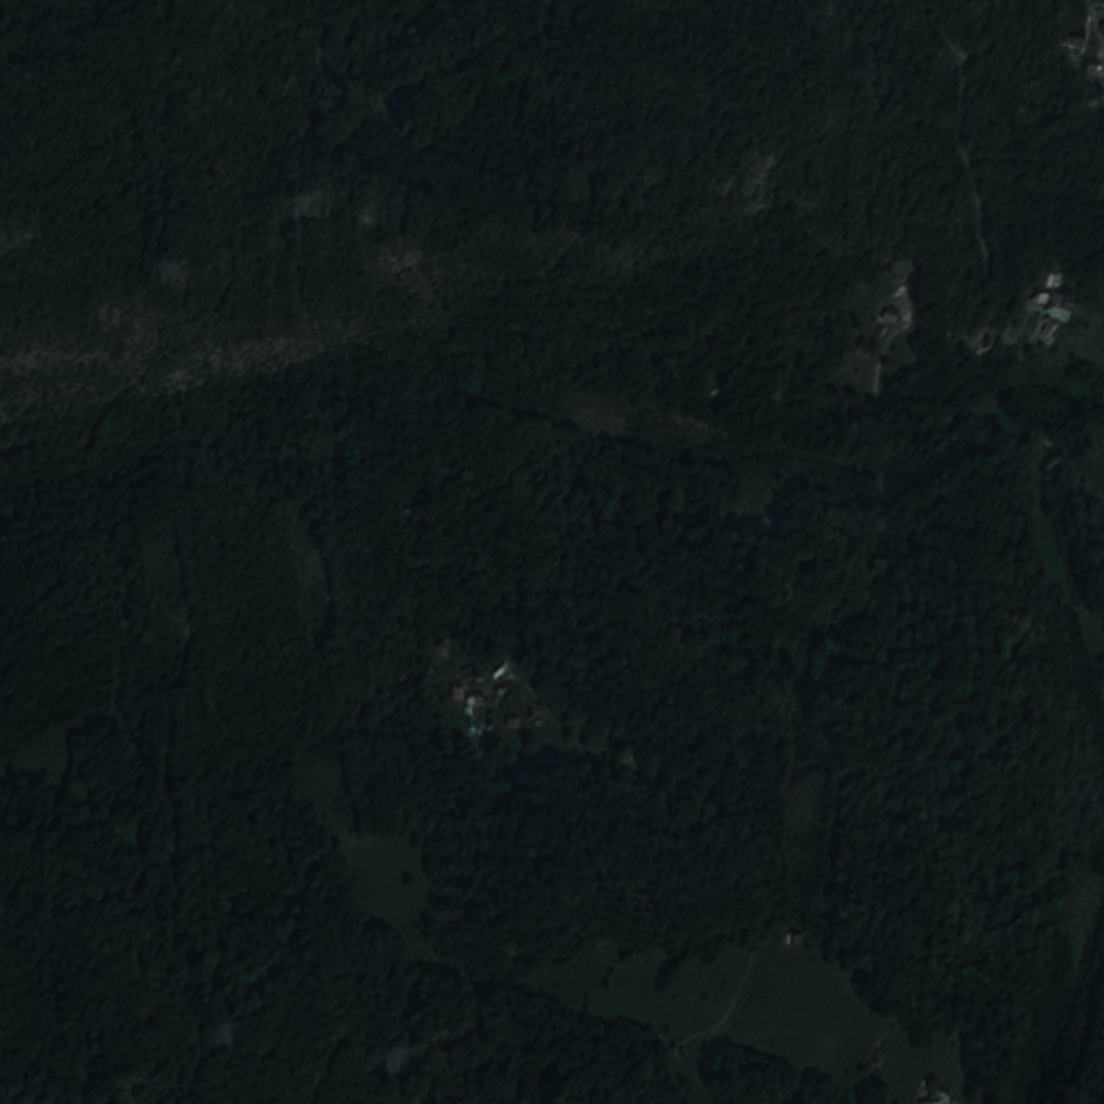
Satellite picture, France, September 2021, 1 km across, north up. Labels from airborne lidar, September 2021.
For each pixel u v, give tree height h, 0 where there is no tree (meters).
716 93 19
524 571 32
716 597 24
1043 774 23
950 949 25
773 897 18
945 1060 0
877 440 29
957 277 15
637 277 18
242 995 29
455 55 26
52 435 20
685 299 26
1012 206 17
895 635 24
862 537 23
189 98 28
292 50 31
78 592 30
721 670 28
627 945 23
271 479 26
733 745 30
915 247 15
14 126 17
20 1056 23
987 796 20
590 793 27
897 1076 0
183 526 18
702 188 10
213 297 16
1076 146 20
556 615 36
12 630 22
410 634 23
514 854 24
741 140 14
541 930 19
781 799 22
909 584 26
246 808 29
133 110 19
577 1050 29
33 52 19
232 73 26
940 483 27
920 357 18
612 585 33
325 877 21
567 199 8
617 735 23
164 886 22
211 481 32
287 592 18
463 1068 25
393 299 9
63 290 16
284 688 22
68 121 25
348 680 20
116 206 22
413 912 0
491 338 24
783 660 10
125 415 22
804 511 27
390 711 27
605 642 31
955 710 27
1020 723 19
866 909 19
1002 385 22
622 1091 27
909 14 25
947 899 23
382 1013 23
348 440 12
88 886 32
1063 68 20
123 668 29
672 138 18
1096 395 7
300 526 7
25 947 27
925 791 21
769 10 12
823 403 31
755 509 0
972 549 27
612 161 18
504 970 29
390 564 19
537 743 13
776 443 19
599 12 30
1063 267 13
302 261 17
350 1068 25
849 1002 0
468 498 28
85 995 26
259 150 31
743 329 27
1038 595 25
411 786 19
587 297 20
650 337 21
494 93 14
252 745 26
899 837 30
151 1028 24
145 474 26
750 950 11
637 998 0
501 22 32
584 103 29
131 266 21
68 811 23
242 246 15
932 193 15
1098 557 23
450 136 8
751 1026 0
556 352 26
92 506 29
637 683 30
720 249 22
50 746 0
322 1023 29
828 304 31
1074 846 26
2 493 30
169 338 10
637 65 24
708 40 13
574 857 21
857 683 28
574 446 28
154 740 21
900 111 21
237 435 23
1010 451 26
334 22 30
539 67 32
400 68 27
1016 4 21
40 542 33
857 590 31
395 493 27
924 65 15
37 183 16
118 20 34
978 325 16
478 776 30
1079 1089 23
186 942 28
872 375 0
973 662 24
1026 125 22
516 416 8
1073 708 17
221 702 18
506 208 17
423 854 10
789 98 14
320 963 23
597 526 28
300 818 15
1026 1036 14
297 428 17
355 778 16
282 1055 22
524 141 10
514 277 6
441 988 31
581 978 0
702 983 0
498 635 21
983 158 22
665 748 26
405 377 27
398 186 9
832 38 7
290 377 25
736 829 24
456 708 0
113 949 28
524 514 30
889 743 18
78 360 8
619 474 26
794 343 25
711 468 16
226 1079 11
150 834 18
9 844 32
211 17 28
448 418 29
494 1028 35
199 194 26
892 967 23
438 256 14
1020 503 23
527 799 30
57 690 25
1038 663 23
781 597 27
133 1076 29
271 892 33
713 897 16
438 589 26
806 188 14
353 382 22
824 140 10
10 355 9
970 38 18
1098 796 22
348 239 11
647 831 19
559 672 24
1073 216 19
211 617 15
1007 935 31
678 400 25
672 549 29
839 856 23
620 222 17
